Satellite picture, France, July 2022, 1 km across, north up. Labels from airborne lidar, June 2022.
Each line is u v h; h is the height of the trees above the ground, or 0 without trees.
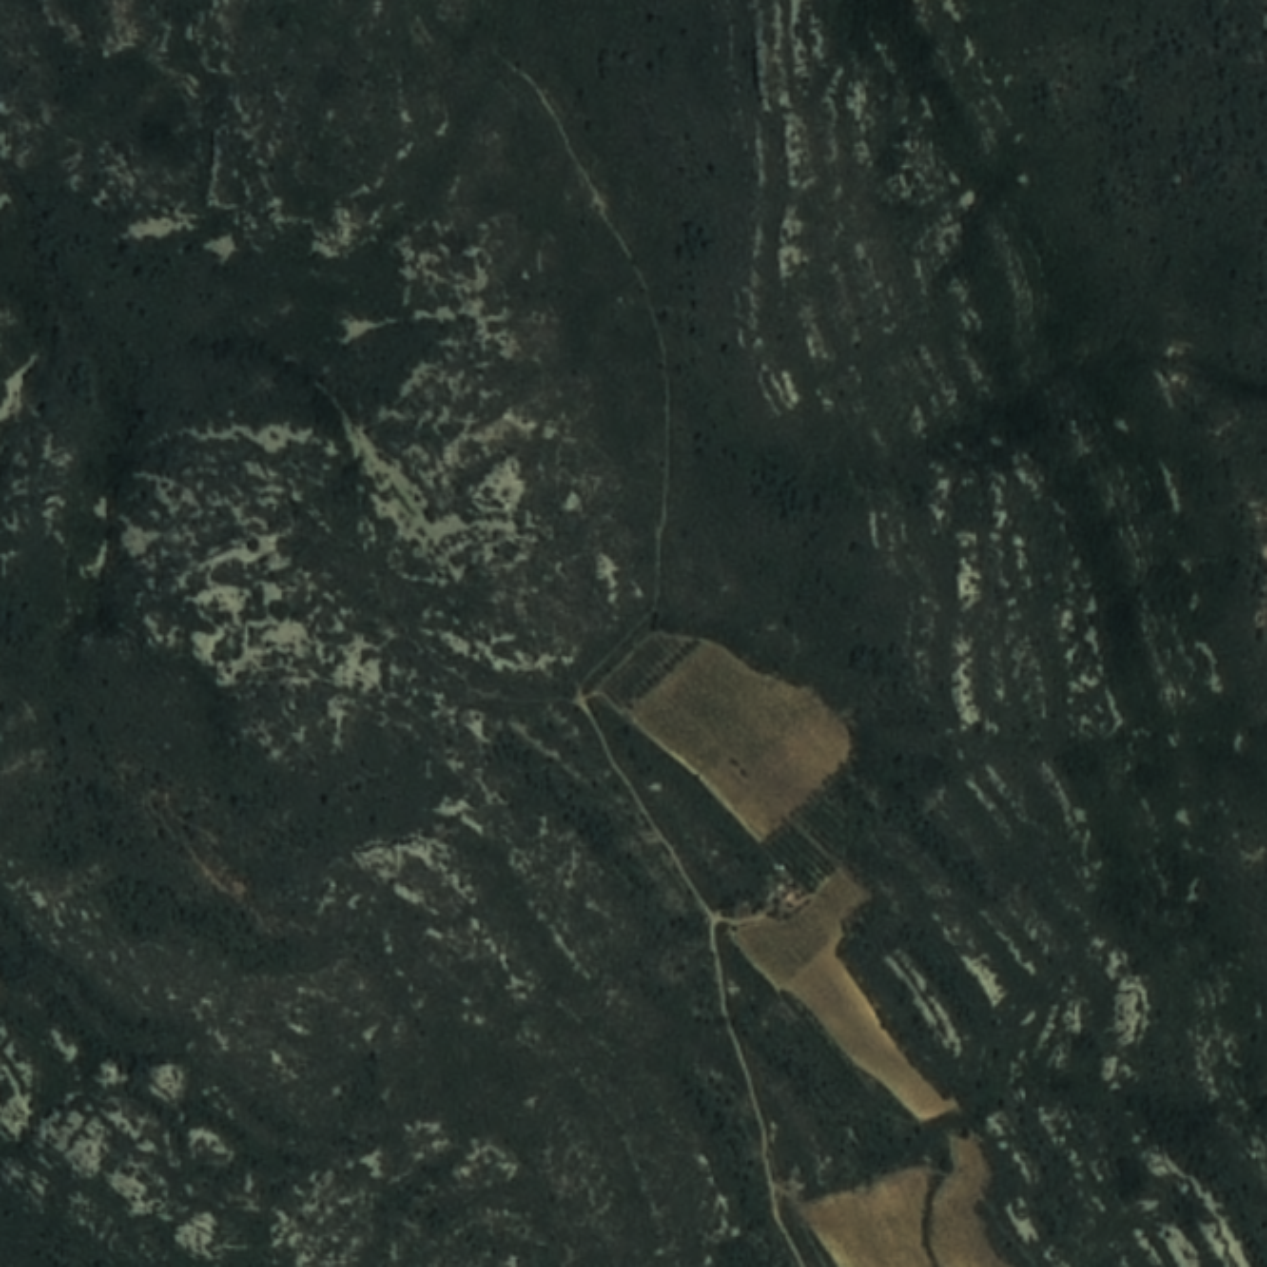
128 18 0
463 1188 0
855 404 0
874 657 7
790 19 0
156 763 0
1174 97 0
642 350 0
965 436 7
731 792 0
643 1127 0
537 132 0
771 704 0
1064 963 0
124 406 9
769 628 0
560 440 0
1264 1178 0
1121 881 6
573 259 0
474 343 0
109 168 0
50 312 9
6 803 0
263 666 0
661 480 0
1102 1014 0
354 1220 0
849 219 0
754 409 0
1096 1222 0
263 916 0
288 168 0
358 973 0
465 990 0
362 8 0
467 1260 0
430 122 0
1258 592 8
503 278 0
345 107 0
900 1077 0
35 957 8
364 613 0
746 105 0
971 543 0
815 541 8
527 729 0
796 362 0
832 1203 0
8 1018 7
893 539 0
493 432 0
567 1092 0
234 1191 0
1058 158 0
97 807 7
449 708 0
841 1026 0
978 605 0
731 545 0
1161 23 8
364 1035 0
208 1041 0
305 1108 0
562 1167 0
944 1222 0
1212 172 6
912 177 8
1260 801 0
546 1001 0
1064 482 9
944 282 7
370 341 0
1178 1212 6
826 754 0
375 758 0
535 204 0
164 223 0
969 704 0
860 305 0
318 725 0
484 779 0
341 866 0
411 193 0
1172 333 0
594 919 0
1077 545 6
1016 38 0
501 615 0
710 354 0
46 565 0
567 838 0
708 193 0
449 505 0
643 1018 0
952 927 0
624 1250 0
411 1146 0
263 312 0
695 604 0
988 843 0
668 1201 0
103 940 0
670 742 0
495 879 0
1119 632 10
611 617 0
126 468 7
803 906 0
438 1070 0
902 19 8
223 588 0
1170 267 8
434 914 0
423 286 0
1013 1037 0
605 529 0
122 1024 6
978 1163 0
